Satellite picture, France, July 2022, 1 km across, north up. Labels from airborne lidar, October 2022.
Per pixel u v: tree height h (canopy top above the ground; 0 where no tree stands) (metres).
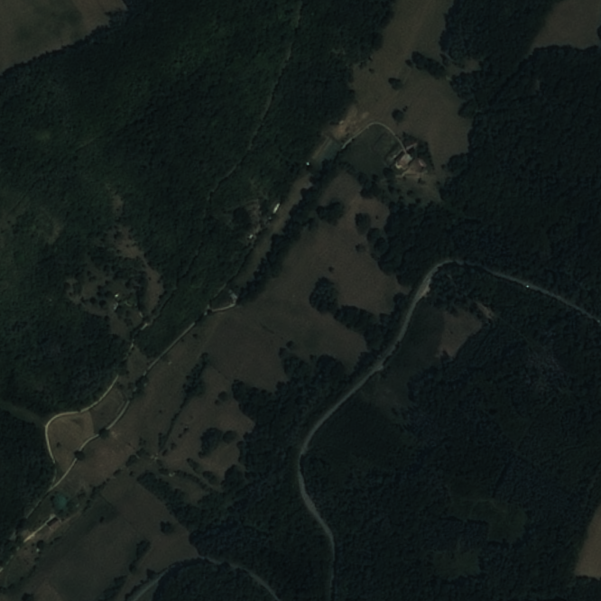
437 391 23
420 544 19
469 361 10
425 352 0
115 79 18
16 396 12
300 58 8
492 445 16
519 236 22
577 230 9
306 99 22
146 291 8
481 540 19
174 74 16
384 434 6
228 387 0
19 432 16
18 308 9
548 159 26
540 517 16
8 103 14
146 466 0
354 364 0
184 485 0
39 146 7
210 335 0
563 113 21
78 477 0
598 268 22
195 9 16
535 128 18
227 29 7
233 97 12
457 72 0
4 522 17
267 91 11
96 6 0
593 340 25
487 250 28
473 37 24
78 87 18
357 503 17
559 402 12
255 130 7
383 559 25
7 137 18
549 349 21
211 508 7
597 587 23
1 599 0
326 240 0
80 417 0
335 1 19
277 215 10
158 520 0
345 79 13
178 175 10
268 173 11
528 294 14
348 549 20
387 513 18
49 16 0
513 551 23
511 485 0
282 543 9
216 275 6
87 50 22
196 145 13
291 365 11
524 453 9
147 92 8
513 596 13
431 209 7
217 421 0
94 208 8
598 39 0
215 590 14
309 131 19
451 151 0
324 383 22
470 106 13
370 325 9
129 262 10
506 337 13
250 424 0
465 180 17
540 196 21
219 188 7
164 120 18
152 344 8
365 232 0
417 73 0
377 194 10
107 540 0
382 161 0
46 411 8
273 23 8
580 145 22
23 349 9
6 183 7
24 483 27
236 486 16
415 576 24
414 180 0
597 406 27
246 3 18
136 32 21
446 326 0
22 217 8
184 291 5
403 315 17
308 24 7
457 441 18
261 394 13
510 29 21
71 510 6
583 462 9
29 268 6
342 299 0
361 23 18
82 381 25
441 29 0
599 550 0
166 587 20
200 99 16
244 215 12
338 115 11
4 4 0
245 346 0
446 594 26
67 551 0
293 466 17
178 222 13
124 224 12
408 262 16
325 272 0
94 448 0
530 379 18
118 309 12
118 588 6
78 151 9
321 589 23
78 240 10
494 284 25
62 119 21
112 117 14
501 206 17
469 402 21
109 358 20
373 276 0
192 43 10
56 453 0
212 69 14
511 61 19
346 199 0
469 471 15
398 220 20
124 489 0
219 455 0
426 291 0
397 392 0
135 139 14
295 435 23
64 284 7
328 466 24
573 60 24
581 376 26
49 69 16
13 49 0
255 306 0
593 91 20
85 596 0
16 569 0
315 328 0
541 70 23
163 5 20
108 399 0
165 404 0
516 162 23
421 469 23
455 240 23
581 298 17
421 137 0
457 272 18
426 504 20
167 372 0
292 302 0
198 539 21
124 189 6
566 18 0
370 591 22
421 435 24
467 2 24
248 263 8
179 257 11
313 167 14
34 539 0
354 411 8
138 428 0
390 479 18
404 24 0
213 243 7
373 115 0
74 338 9
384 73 0
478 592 23
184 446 0
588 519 13
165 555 0
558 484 9
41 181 13
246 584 24
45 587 0
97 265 9
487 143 23
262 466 16
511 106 22
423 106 0
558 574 23
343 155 9
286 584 10
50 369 17
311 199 18
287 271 0
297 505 14
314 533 18
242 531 28
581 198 24
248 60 6
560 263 17
